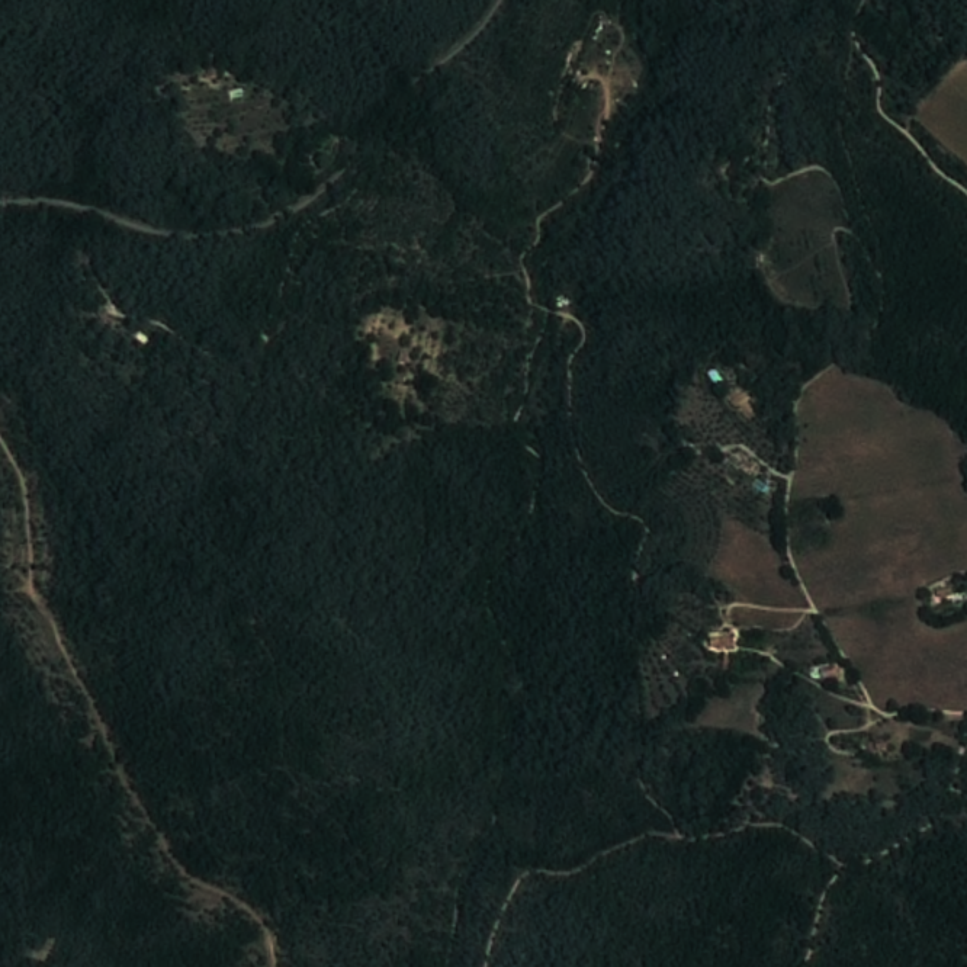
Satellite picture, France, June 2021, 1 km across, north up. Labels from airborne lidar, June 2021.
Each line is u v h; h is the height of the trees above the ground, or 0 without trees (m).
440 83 13
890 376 10
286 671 10
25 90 16
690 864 9
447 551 20
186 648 17
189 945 13
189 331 14
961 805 12
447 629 17
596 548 14
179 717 10
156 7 11
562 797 8
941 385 11
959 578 10
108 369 14
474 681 15
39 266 19
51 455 18
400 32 18
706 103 19
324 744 9
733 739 14
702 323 11
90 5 17
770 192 13
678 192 20
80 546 23
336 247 12
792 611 0
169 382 19
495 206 6
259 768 5
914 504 0
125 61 16
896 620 0
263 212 19
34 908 13
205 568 17
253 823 8
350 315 18
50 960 12
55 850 15
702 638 10
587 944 15
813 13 28
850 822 17
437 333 8
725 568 0
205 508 17
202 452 18
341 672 6
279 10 21
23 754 11
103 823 14
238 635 7
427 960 10
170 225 6
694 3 15
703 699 6
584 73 7
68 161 20
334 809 8
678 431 14
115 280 15
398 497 16
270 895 12
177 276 13
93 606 16
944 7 15
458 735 7
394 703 16
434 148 16
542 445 14
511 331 13
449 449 15
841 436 0
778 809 18
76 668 8
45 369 15
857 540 0
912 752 14
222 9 11
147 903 11
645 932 9
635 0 13
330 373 18
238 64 21
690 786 16
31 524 9
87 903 13
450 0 13
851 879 8
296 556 18
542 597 12
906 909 7
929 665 0
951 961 8
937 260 9
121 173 16
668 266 21
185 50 15
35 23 21
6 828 10
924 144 10
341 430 18
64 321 18
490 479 15
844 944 7
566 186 12
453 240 9
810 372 10
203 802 16
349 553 7
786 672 13
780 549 14
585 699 10
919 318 9
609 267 17
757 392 12
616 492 7
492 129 16
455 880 10
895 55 15
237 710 6
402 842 10
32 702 14
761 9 9
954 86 0
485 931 11
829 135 7
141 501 20
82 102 23
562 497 6
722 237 22
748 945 10
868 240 9
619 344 10
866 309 10
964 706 0
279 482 20
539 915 11
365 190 12
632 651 13
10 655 14
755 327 13
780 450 9
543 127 10
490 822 8
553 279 11
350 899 13
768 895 13
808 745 12
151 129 22
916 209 6
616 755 19
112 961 8
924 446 0
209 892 0
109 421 19
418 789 13
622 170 20
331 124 20
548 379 9
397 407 14
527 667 13
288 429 12
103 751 17
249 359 19
